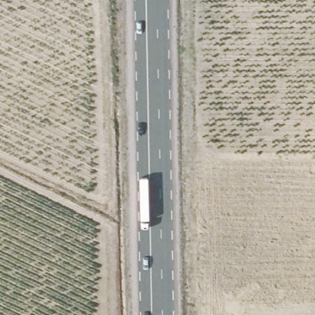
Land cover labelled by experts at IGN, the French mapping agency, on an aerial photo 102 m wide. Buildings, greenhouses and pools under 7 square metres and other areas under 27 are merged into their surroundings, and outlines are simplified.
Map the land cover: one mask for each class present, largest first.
<instances>
[{"label":"vineyard","instance_id":"1","mask_svg":"<svg viewBox=\"0 0 315 315\"><path fill-rule=\"evenodd\" d=\"M181 46L185 47V52L181 55L183 167L187 166L191 171L197 169L201 177L212 175L213 166L220 167L229 169V178H234L235 173H242L244 169H271L272 162L274 170H310L315 175V0H181ZM100 223L0 175V315H95L98 306L97 284L101 279V263L97 262V234L100 233Z\"/></svg>","mask_w":315,"mask_h":315},{"label":"herbaceous vegetation","instance_id":"2","mask_svg":"<svg viewBox=\"0 0 315 315\"><path fill-rule=\"evenodd\" d=\"M118 66L121 74L119 85L114 86L108 0H0V166L117 224V315H143L139 311L142 293L139 292L138 282L142 276L138 272V262L143 263L145 258L138 252V241L139 234L144 230L140 225H149V220H140L139 185L142 178L137 171L139 154L135 148L139 132L138 112L135 111L138 92H135L134 81L138 75L134 70L137 52L134 50V42L142 32V26L133 9L134 0H116ZM116 91L121 92V95L118 96L117 110V119L119 123V159H116V133H114L113 124V94Z\"/></svg>","mask_w":315,"mask_h":315},{"label":"plowed land","instance_id":"3","mask_svg":"<svg viewBox=\"0 0 315 315\"><path fill-rule=\"evenodd\" d=\"M183 173H188L189 176L185 182L186 192L183 194L186 221L185 258L187 265L193 266L191 281H187V301L194 303L198 315H315V175L310 170H274L272 162L271 169H244L242 173H235L234 178H229V169L220 167L213 166L212 175L201 177L197 169L191 171L187 166L183 167ZM0 175L100 223V233L97 234V262L101 263V279L97 284L98 306L95 315H117V224L0 166Z\"/></svg>","mask_w":315,"mask_h":315},{"label":"impervious surface","instance_id":"4","mask_svg":"<svg viewBox=\"0 0 315 315\"><path fill-rule=\"evenodd\" d=\"M133 9L142 26V32L134 42V50L137 52L134 70L138 75L134 81L135 92H138L135 111L138 112L139 132L135 148L139 154L137 171L142 178L139 185L140 220H149V225H140L144 230L139 234L138 241V252L145 258L143 263L138 262V272L142 276L138 282L139 292L142 293L139 311L143 315H182L177 0H134Z\"/></svg>","mask_w":315,"mask_h":315},{"label":"brushwood","instance_id":"5","mask_svg":"<svg viewBox=\"0 0 315 315\"><path fill-rule=\"evenodd\" d=\"M114 86L119 85L121 74L118 66L116 0H108ZM181 0H177L182 315H198L194 303L187 301V281H191L193 266L187 265L185 258L186 221L183 194L186 192L185 182L189 176L188 173H183V167L181 55L185 52V47L181 46ZM121 95V92L116 91L113 94V124L114 133H116V159H119V123L117 119V110L118 96Z\"/></svg>","mask_w":315,"mask_h":315}]
</instances>
